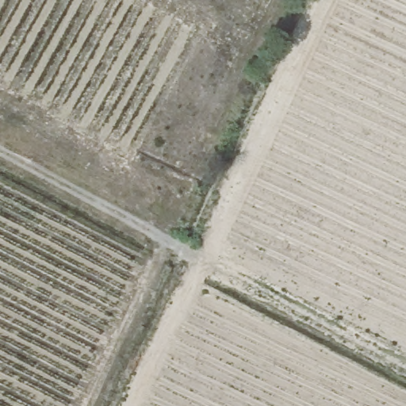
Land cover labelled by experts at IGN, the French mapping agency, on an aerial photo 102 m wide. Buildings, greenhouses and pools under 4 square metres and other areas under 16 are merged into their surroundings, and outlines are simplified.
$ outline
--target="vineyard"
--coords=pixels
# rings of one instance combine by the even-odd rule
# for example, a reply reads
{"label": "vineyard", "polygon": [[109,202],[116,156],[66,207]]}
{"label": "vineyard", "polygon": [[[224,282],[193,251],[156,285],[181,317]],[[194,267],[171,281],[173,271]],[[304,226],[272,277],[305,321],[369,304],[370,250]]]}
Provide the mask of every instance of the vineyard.
{"label": "vineyard", "polygon": [[0,89],[14,97],[22,97],[27,105],[41,106],[46,116],[59,122],[60,128],[75,128],[79,141],[94,140],[94,132],[98,132],[98,143],[105,149],[121,147],[122,152],[127,151],[136,130],[178,60],[189,32],[195,29],[192,24],[186,24],[182,17],[157,8],[149,0],[0,0]]}
{"label": "vineyard", "polygon": [[162,263],[167,260],[167,249],[144,233],[128,227],[121,220],[101,213],[94,206],[87,205],[70,193],[57,190],[43,179],[36,178],[29,171],[22,170],[0,157],[0,406],[94,406],[100,395],[101,385],[108,376],[109,368],[113,366],[114,358],[121,349],[122,338],[127,335],[136,311],[141,309],[147,287],[154,281]]}
{"label": "vineyard", "polygon": [[352,362],[343,355],[336,354],[328,347],[300,335],[298,331],[247,308],[246,304],[239,303],[235,298],[206,285],[205,279],[213,279],[225,287],[241,292],[244,276],[239,273],[246,273],[270,284],[276,290],[287,287],[287,295],[293,300],[304,301],[319,297],[320,306],[333,303],[339,312],[344,306],[349,306],[349,312],[365,317],[365,320],[354,320],[354,324],[371,328],[387,336],[390,341],[396,341],[403,349],[403,354],[406,354],[406,0],[317,0],[308,3],[308,14],[311,29],[304,40],[298,41],[285,59],[276,65],[276,71],[268,86],[265,100],[254,121],[247,127],[249,130],[246,138],[241,140],[239,155],[227,171],[227,178],[222,181],[220,200],[214,208],[213,217],[206,224],[203,246],[197,249],[197,265],[190,268],[187,266],[186,274],[182,276],[182,284],[174,290],[171,297],[173,303],[168,304],[163,312],[154,338],[141,358],[136,376],[130,382],[127,401],[124,401],[122,406],[406,406],[406,389],[377,376],[373,371],[366,370],[362,365]]}

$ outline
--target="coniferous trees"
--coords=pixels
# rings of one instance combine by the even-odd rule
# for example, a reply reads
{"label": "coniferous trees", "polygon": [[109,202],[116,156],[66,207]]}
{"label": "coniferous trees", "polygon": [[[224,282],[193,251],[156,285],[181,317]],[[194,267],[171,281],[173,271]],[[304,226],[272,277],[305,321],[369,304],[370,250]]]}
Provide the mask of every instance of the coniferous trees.
{"label": "coniferous trees", "polygon": [[284,0],[289,5],[290,14],[308,14],[308,3],[317,0]]}
{"label": "coniferous trees", "polygon": [[243,81],[239,82],[238,90],[239,94],[255,95],[259,92],[260,86],[268,86],[276,71],[276,65],[285,59],[298,41],[295,33],[282,32],[276,24],[271,24],[270,29],[266,30],[265,43],[247,62],[244,70],[246,73]]}

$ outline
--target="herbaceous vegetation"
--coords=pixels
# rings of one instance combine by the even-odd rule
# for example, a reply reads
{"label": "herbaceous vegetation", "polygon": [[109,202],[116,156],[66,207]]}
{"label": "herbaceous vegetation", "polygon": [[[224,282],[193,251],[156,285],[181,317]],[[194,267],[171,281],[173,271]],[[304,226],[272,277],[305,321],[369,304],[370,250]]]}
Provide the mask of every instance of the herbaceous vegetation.
{"label": "herbaceous vegetation", "polygon": [[127,151],[122,152],[121,147],[105,149],[98,143],[98,132],[94,132],[94,140],[79,141],[75,128],[60,128],[59,122],[46,116],[41,106],[27,105],[22,97],[14,97],[0,89],[0,144],[8,147],[10,151],[24,155],[27,159],[32,159],[33,162],[40,163],[41,167],[59,174],[87,192],[94,193],[101,200],[113,203],[117,208],[125,209],[127,213],[146,222],[154,222],[155,227],[163,233],[189,244],[192,249],[197,249],[203,246],[206,224],[213,217],[214,208],[220,200],[222,181],[227,178],[227,171],[239,155],[241,140],[246,138],[249,130],[247,127],[254,121],[265,100],[268,86],[260,86],[259,92],[255,95],[239,94],[238,90],[239,82],[243,81],[246,73],[244,70],[247,62],[265,43],[266,30],[270,29],[271,24],[276,24],[282,32],[295,33],[298,41],[304,40],[311,29],[308,14],[290,14],[289,5],[284,0],[149,0],[157,8],[182,17],[186,24],[192,24],[195,29],[189,32],[178,60],[136,130]]}
{"label": "herbaceous vegetation", "polygon": [[352,362],[362,365],[366,370],[373,371],[377,376],[406,389],[406,354],[403,354],[403,349],[396,341],[390,341],[387,336],[371,328],[354,324],[354,320],[365,320],[365,317],[349,312],[349,306],[344,306],[339,312],[333,303],[320,306],[319,297],[304,301],[293,300],[287,295],[287,287],[276,290],[270,284],[246,273],[239,273],[244,276],[241,292],[225,287],[213,279],[205,279],[206,285],[235,298],[239,303],[246,304],[247,308],[298,331],[300,335],[328,347],[336,354],[343,355]]}
{"label": "herbaceous vegetation", "polygon": [[108,376],[101,385],[100,395],[94,406],[122,406],[124,401],[127,401],[130,382],[136,376],[141,358],[154,338],[163,312],[168,304],[173,303],[171,297],[174,290],[182,284],[182,276],[186,274],[187,266],[186,260],[176,260],[176,254],[167,249],[167,260],[162,263],[154,281],[147,287],[141,309],[136,311],[127,335],[122,338],[121,349],[114,358],[113,366],[109,368]]}

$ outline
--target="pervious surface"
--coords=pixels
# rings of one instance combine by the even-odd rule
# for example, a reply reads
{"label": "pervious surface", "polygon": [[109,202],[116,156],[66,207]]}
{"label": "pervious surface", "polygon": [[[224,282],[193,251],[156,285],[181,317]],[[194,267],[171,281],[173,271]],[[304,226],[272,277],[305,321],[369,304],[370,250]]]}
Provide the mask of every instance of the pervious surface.
{"label": "pervious surface", "polygon": [[33,162],[32,159],[27,159],[24,155],[10,151],[8,147],[0,144],[0,157],[22,170],[29,171],[36,178],[43,179],[57,190],[70,193],[87,205],[94,206],[101,213],[121,220],[128,227],[144,233],[167,249],[176,254],[176,260],[186,260],[187,266],[190,268],[197,265],[197,249],[192,249],[189,244],[163,233],[155,227],[154,222],[146,222],[127,213],[125,209],[117,208],[113,203],[101,200],[94,193],[87,192],[59,174],[41,167],[40,163]]}

